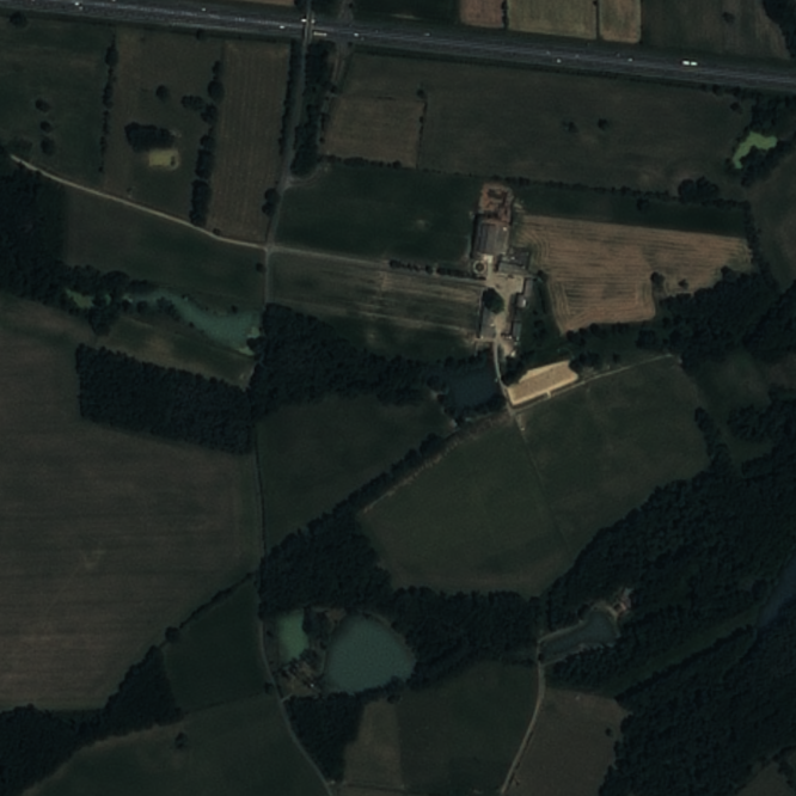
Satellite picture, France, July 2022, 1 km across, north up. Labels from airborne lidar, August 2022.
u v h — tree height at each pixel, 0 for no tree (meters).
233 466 0
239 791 0
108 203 0
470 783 0
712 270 0
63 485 0
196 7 0
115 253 0
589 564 19
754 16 0
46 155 10
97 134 0
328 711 20
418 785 0
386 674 0
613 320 0
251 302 0
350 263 0
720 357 17
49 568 0
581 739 0
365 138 0
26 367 0
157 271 0
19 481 0
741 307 25
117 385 21
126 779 0
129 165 0
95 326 15
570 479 0
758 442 16
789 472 21
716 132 0
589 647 0
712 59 0
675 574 21
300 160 9
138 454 0
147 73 0
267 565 15
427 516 0
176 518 0
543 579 0
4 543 0
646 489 0
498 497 0
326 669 0
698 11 0
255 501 0
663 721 24
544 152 0
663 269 0
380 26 0
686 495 23
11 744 23
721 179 0
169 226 0
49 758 22
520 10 0
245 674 0
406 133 0
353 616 23
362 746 0
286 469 0
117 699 15
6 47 0
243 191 0
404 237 0
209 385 13
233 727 0
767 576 21
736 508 24
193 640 0
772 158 16
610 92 0
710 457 8
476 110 0
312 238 0
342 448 0
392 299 0
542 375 0
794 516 20
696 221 0
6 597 0
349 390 19
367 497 16
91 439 0
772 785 0
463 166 0
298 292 0
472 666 13
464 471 0
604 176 0
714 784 21
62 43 0
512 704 0
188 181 0
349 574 22
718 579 27
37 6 0
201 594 0
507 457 0
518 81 0
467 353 0
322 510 0
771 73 0
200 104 12
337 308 0
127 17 0
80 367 16
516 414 0
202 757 0
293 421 0
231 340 0
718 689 27
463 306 0
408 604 21
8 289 17
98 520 0
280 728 0
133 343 0
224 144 0
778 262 0
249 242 0
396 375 22
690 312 18
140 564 0
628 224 0
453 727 0
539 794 0
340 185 0
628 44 0
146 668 14
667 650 20
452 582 0
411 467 16
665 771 22
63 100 0
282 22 0
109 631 0
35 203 20
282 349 24
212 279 0
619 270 0
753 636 17
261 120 0
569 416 0
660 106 0
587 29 0
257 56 0
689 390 0
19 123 0
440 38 0
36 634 0
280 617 14
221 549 0
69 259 0
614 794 18
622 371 0
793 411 23
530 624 14
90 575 0
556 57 0
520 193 0
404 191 0
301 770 0
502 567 0
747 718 19
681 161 0
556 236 0
